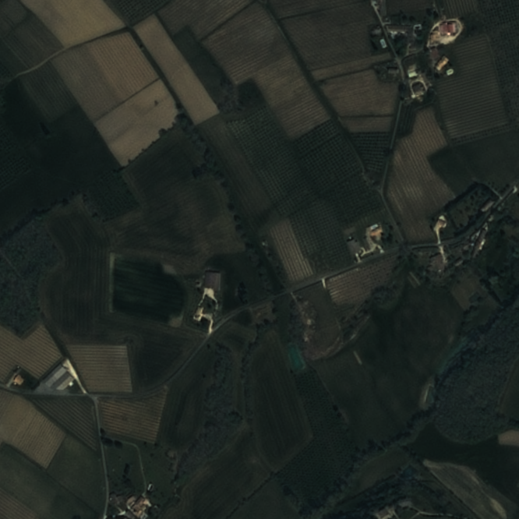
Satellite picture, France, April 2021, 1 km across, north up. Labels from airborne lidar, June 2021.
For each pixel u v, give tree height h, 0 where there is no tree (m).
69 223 0
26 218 0
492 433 17
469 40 0
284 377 0
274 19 0
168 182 0
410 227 0
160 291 0
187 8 0
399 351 0
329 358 0
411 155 0
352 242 0
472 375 15
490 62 0
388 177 0
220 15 0
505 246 0
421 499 0
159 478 0
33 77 0
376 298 16
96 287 0
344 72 0
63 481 0
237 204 0
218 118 0
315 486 6
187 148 0
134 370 0
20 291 21
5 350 0
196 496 0
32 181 0
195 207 0
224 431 15
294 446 0
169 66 0
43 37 0
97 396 0
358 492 0
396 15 0
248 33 0
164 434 0
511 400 0
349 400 0
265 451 0
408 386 0
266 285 16
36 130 0
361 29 0
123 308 0
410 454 17
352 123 0
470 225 7
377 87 0
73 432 0
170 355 0
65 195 0
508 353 13
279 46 0
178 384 0
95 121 0
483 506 0
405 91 18
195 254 0
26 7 0
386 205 0
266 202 0
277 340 0
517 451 0
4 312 18
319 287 0
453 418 18
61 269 0
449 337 0
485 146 0
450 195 0
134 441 0
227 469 0
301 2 0
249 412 13
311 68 0
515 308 27
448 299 0
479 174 0
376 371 0
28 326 15
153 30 0
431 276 12
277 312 11
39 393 0
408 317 0
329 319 0
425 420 18
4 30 0
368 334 0
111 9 0
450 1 0
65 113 0
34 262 13
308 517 27
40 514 0
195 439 0
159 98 0
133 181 0
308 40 0
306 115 0
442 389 21
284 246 0
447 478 0
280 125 0
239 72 0
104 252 0
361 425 0
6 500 0
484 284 15
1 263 20
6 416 0
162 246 0
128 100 0
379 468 0
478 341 27
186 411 0
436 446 0
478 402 17
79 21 0
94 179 0
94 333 0
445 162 0
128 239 0
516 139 0
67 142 0
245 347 0
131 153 0
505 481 0
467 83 0
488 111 0
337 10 0
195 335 0
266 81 0
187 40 0
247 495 0
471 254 12
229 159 0
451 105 0
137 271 0
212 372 0
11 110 0
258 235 0
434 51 0
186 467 20
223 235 0
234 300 0
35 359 0
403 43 17
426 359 0
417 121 0
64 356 0
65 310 0
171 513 0
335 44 0
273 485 0
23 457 0
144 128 0
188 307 0
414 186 0
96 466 0
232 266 0
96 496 0
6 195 0
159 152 0
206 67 0
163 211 0
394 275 7
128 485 9
